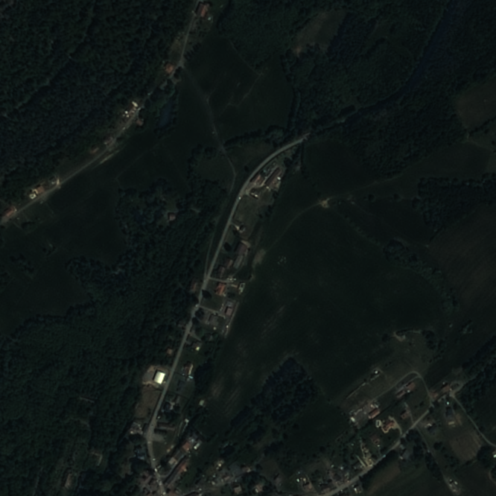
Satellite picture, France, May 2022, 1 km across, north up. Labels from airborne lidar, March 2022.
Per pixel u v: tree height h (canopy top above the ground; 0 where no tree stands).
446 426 0
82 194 0
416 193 0
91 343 19
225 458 20
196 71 0
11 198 14
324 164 0
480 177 0
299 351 0
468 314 0
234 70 0
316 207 0
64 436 15
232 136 0
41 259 0
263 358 0
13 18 11
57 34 28
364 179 0
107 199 0
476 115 0
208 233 20
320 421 0
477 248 0
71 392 20
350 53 22
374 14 18
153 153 0
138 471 24
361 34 15
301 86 17
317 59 20
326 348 0
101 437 17
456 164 0
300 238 0
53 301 0
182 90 0
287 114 0
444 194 16
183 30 10
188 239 14
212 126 0
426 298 0
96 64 29
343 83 20
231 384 0
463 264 0
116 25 14
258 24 21
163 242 8
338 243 0
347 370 0
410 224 0
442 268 0
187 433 10
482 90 0
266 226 0
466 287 0
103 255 0
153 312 14
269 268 0
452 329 0
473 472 0
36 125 22
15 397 19
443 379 0
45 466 9
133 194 20
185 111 0
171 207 0
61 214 0
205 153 15
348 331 0
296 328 0
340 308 0
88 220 0
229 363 0
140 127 8
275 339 0
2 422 21
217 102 0
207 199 16
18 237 0
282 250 0
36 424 17
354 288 0
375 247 0
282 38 20
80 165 0
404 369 0
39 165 18
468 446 0
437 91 10
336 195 0
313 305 0
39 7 13
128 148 0
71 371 16
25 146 27
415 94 24
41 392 20
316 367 0
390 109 28
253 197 0
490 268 0
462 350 0
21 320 0
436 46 27
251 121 0
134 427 0
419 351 0
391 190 0
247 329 0
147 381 0
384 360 0
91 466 0
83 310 22
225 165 0
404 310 0
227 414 0
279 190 0
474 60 14
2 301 0
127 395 16
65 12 19
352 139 13
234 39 16
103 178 0
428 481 0
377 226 0
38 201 0
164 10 24
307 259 0
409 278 0
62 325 21
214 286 0
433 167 0
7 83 10
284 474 0
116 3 21
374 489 0
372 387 0
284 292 0
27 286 0
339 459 0
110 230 0
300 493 0
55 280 0
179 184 0
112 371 20
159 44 26
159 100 23
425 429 0
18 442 21
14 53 17
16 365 27
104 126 19
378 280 0
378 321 0
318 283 0
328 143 0
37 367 8
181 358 0
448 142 12
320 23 0
